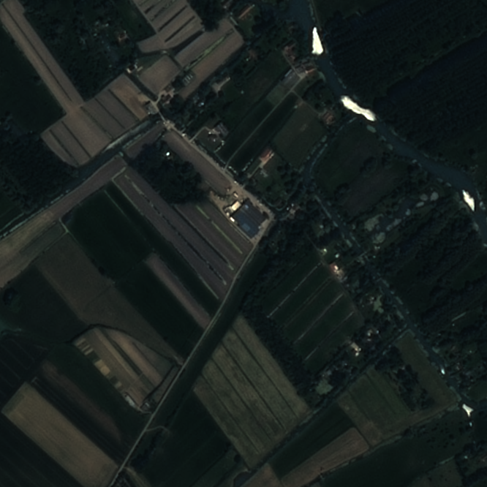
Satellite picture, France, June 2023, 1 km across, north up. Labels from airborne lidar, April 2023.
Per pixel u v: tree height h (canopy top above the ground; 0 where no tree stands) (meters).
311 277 0
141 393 0
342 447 0
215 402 0
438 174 0
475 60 33
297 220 15
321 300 0
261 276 6
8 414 0
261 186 0
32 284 0
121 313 0
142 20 0
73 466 0
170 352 0
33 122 0
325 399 11
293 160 0
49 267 0
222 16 13
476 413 0
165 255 0
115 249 0
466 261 19
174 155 9
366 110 0
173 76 0
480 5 25
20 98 0
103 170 0
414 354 0
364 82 29
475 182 0
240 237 0
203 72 0
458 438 0
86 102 0
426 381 0
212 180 0
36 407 0
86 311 0
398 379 13
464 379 21
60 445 0
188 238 0
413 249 18
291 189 14
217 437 0
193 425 0
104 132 0
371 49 31
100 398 0
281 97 0
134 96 0
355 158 0
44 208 0
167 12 0
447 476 0
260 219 0
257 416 0
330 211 0
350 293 9
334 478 0
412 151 0
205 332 0
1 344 0
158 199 0
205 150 0
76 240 0
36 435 0
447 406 0
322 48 0
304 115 0
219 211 0
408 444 0
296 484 0
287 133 0
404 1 24
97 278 0
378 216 0
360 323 0
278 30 7
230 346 0
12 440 0
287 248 10
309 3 0
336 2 0
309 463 0
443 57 0
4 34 0
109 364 0
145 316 0
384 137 0
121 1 26
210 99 14
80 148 0
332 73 0
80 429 0
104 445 0
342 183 0
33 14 6
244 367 0
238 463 15
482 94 35
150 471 0
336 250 0
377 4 0
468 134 0
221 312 0
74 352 0
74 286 0
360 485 0
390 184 0
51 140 0
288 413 0
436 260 9
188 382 0
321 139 0
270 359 0
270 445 0
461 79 32
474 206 0
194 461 0
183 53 0
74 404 0
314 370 0
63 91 0
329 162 0
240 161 0
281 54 0
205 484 0
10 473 0
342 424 0
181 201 10
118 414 0
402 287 0
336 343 0
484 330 18
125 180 0
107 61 0
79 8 15
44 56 0
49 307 0
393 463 0
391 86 0
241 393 0
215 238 0
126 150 0
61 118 0
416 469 0
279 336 15
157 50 0
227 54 0
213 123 0
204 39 0
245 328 0
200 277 0
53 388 0
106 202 0
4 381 0
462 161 0
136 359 0
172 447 0
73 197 0
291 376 15
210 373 0
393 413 0
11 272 0
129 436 0
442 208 17
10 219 0
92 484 0
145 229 0
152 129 0
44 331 0
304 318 0
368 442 0
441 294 9
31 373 0
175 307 0
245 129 0
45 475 0
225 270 0
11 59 0
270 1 0
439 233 13
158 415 0
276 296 0
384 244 0
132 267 0
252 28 0
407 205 0
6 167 13
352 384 0
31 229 0
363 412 0
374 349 15
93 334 0
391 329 12
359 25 28
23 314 0
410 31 29
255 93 0
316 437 0
